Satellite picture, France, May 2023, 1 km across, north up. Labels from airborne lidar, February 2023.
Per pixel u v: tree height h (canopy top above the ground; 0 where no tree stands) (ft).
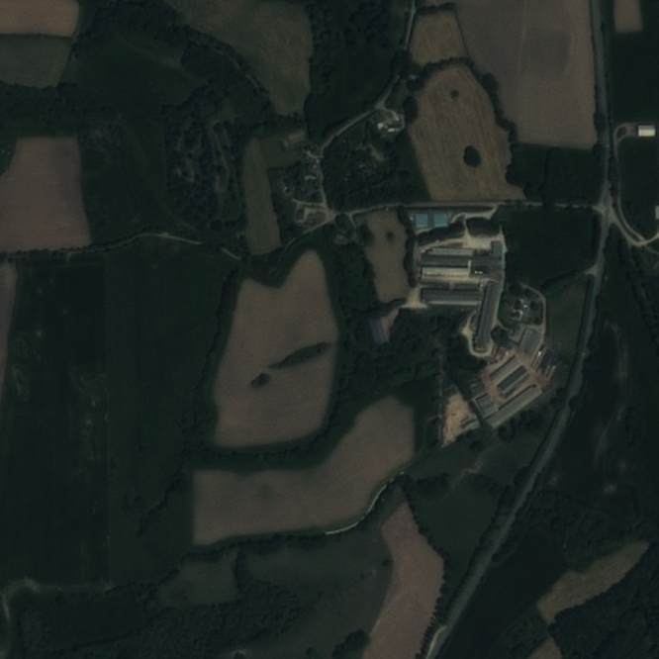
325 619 0
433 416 0
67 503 0
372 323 0
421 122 0
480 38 0
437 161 0
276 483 0
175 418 0
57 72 0
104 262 0
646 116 0
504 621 0
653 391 0
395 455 0
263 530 0
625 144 0
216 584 0
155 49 0
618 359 0
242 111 0
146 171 0
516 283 28
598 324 44
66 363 0
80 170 0
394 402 0
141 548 0
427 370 33
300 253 0
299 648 0
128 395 0
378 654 0
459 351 44
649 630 36
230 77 67
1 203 0
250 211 0
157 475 0
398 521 0
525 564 0
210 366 25
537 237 0
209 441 0
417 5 29
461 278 0
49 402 0
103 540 0
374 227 0
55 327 0
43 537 0
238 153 37
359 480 0
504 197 0
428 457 0
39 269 0
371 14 63
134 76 0
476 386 0
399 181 43
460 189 0
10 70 0
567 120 0
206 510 0
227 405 0
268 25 0
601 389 0
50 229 0
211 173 26
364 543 0
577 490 0
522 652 44
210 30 0
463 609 0
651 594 36
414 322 43
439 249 0
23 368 0
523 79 0
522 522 34
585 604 0
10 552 0
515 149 46
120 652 35
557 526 57
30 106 46
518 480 50
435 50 0
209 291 0
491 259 0
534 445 0
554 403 42
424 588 0
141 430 0
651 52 0
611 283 0
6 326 0
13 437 0
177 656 23
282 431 0
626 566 0
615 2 0
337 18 0
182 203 28
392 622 0
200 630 29
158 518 48
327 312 0
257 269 34
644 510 0
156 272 0
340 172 37
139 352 0
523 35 0
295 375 0
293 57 0
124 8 80
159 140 0
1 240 0
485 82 55
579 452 0
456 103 0
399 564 0
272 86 0
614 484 0
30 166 0
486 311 0
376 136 27
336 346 0
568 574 0
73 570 0
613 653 62
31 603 0
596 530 32
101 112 33
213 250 31
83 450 0
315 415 0
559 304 0
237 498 0
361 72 0
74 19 0
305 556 0
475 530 0
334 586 0
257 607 28
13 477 0
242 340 0
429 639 49
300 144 0
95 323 0
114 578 0
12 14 0
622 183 0
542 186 24
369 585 0
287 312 0
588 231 0
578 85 0
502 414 0
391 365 41
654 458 0
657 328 40
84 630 0
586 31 0
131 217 0
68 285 0
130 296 0
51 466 0
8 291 0
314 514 0
